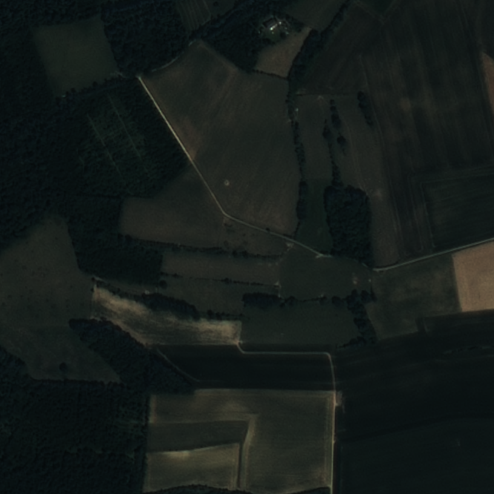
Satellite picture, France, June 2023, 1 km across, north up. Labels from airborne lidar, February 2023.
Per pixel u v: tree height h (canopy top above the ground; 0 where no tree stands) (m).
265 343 0
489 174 0
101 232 13
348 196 23
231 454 0
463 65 0
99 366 0
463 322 0
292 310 0
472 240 0
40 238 0
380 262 0
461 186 0
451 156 0
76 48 0
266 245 0
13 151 18
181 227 0
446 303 0
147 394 14
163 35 15
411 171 0
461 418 0
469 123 0
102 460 16
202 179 0
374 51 0
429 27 0
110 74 0
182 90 0
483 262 0
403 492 0
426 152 0
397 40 0
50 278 0
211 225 0
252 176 0
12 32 17
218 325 0
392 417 0
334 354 0
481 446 0
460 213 0
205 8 0
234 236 0
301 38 0
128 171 9
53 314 0
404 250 0
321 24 0
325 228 0
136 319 0
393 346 0
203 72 0
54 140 14
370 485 0
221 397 0
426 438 0
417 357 0
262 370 0
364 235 21
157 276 6
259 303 24
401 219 0
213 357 0
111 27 24
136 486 13
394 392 0
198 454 0
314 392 0
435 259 0
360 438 0
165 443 0
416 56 0
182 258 0
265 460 0
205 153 0
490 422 0
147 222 0
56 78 0
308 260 0
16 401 17
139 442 10
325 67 0
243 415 0
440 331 0
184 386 31
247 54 14
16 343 0
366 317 21
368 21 0
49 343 0
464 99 0
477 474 0
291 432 0
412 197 0
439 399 0
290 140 0
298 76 19
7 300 0
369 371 0
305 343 0
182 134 0
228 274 0
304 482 0
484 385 0
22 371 21
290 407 0
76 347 0
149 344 0
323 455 0
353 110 0
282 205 0
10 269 0
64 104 13
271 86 0
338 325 0
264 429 0
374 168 0
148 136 9
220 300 0
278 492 0
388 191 0
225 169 0
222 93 0
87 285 0
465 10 0
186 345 0
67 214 14
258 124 0
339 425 0
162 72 0
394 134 0
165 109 0
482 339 0
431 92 0
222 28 15
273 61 0
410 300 0
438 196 0
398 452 0
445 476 0
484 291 0
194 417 0
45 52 0
